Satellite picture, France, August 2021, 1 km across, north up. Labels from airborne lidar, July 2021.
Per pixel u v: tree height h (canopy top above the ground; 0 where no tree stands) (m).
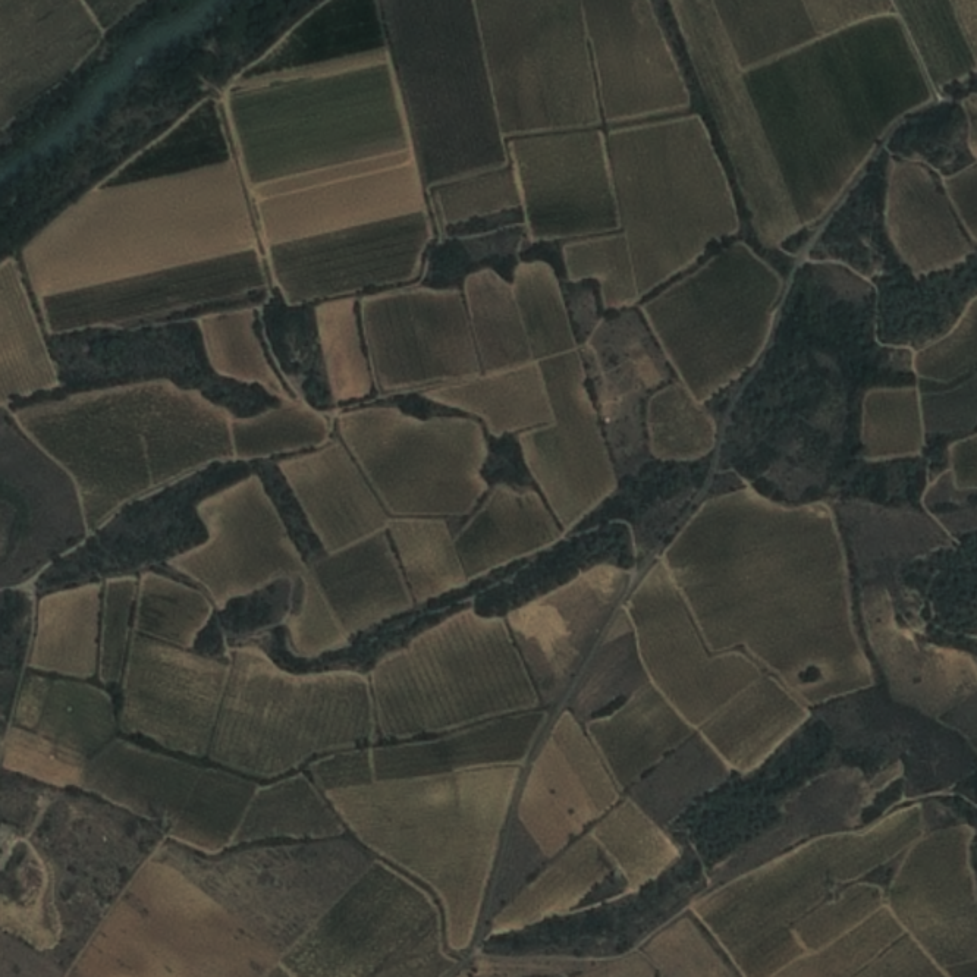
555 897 0
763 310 0
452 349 0
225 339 0
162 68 18
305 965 0
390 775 0
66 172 6
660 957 0
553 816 0
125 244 0
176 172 0
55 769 0
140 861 0
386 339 0
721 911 0
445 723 0
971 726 0
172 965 0
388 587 0
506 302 0
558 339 0
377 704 0
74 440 0
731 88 0
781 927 0
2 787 0
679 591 0
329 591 0
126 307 0
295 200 0
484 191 0
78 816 0
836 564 0
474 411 0
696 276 0
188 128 0
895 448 0
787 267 9
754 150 0
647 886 9
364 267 0
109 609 0
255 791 0
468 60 0
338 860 0
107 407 0
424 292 0
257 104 0
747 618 0
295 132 0
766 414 8
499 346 0
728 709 0
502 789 0
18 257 7
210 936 0
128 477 0
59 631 0
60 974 0
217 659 0
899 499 6
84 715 0
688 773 0
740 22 0
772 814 12
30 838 0
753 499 0
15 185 18
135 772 0
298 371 8
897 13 0
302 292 0
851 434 7
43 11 0
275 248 0
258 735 0
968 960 0
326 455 0
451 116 0
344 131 0
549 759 0
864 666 0
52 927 0
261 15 13
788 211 0
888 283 9
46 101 8
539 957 0
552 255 7
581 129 0
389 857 0
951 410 0
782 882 0
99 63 11
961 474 0
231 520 0
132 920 0
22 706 0
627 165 0
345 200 0
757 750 0
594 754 0
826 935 0
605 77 0
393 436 0
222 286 0
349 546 0
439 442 0
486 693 0
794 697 0
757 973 0
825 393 7
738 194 10
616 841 0
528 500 0
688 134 0
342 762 0
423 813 0
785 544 0
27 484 0
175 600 0
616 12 0
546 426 0
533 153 0
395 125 0
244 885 0
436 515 0
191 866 0
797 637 0
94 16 0
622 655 0
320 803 0
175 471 0
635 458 0
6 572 0
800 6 0
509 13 0
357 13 0
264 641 0
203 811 0
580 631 0
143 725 0
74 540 6
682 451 0
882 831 0
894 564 0
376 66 0
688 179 0
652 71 0
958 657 0
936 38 0
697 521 0
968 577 10
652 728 0
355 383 0
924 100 0
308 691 0
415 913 0
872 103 0
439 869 0
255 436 0
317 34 0
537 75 0
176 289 0
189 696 0
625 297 0
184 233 0
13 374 0
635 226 0
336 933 0
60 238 0
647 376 0
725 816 14
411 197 0
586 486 0
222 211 0
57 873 0
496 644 0
